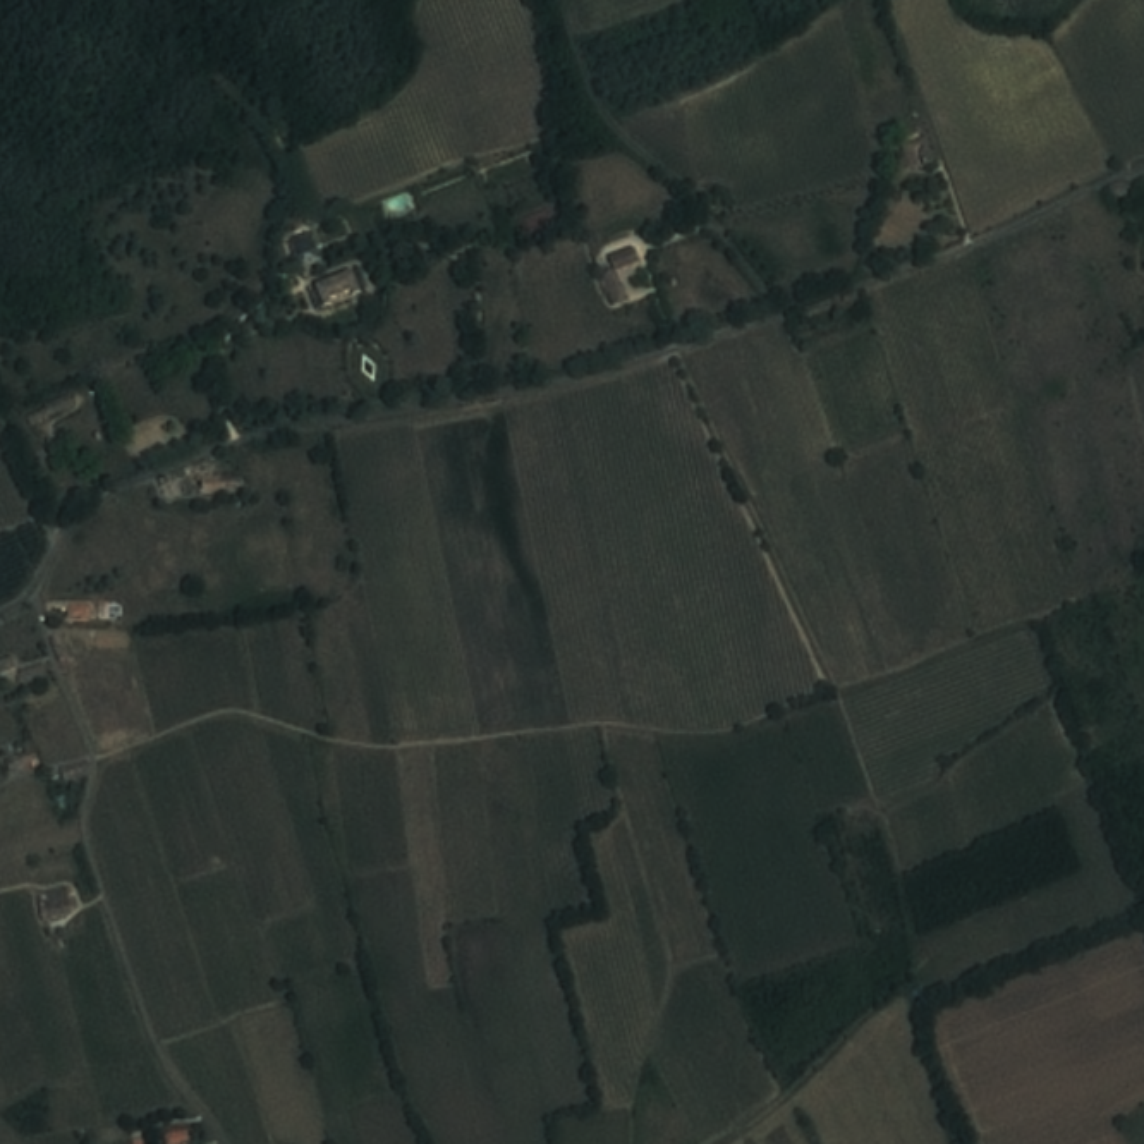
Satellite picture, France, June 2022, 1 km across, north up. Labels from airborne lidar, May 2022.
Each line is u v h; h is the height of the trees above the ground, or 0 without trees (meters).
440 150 0
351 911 7
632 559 0
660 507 0
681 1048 0
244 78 24
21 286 18
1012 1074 0
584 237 26
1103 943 14
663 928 0
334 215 22
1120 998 0
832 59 0
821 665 0
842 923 0
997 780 0
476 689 0
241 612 15
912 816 0
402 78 13
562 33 6
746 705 0
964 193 0
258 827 0
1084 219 0
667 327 10
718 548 0
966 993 10
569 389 0
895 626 0
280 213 20
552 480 0
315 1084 0
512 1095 0
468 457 0
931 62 0
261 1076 0
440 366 0
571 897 0
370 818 0
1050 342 0
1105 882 0
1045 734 0
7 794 0
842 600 0
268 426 13
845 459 10
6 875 0
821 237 0
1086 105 0
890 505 0
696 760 0
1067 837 11
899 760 0
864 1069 0
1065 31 0
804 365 0
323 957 0
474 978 0
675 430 0
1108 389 0
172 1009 0
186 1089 0
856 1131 0
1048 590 0
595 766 0
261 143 18
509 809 0
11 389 10
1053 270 0
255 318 24
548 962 0
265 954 0
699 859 17
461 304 0
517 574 0
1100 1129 0
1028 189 0
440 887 0
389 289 19
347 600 0
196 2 21
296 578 0
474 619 0
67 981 0
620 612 0
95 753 0
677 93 11
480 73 0
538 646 0
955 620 0
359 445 0
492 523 0
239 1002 0
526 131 0
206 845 0
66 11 18
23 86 12
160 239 0
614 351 17
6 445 17
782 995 5
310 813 0
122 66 18
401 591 0
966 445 0
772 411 0
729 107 0
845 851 7
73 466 22
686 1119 0
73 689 0
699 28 10
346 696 0
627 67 17
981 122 0
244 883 0
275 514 0
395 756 0
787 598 0
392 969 0
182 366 20
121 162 20
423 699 0
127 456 0
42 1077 0
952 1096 14
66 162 23
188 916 0
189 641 0
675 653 0
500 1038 0
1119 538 0
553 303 0
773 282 7
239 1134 0
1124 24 0
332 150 0
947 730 0
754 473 0
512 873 0
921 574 0
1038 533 0
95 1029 0
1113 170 12
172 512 0
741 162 0
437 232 20
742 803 0
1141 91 0
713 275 0
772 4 14
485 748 0
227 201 0
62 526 14
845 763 0
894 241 0
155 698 0
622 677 0
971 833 0
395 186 0
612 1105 0
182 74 22
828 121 0
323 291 0
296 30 25
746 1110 0
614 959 0
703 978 0
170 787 0
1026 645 0
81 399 0
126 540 0
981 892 8
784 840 0
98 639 0
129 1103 0
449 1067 0
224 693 0
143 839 0
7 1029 0
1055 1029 0
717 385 0
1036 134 0
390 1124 0
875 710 0
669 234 17
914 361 0
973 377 0
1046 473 0
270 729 0
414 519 0
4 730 0
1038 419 0
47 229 12
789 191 0
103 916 0
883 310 0
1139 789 7
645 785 0
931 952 0
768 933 0
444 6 0
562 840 0
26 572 12
